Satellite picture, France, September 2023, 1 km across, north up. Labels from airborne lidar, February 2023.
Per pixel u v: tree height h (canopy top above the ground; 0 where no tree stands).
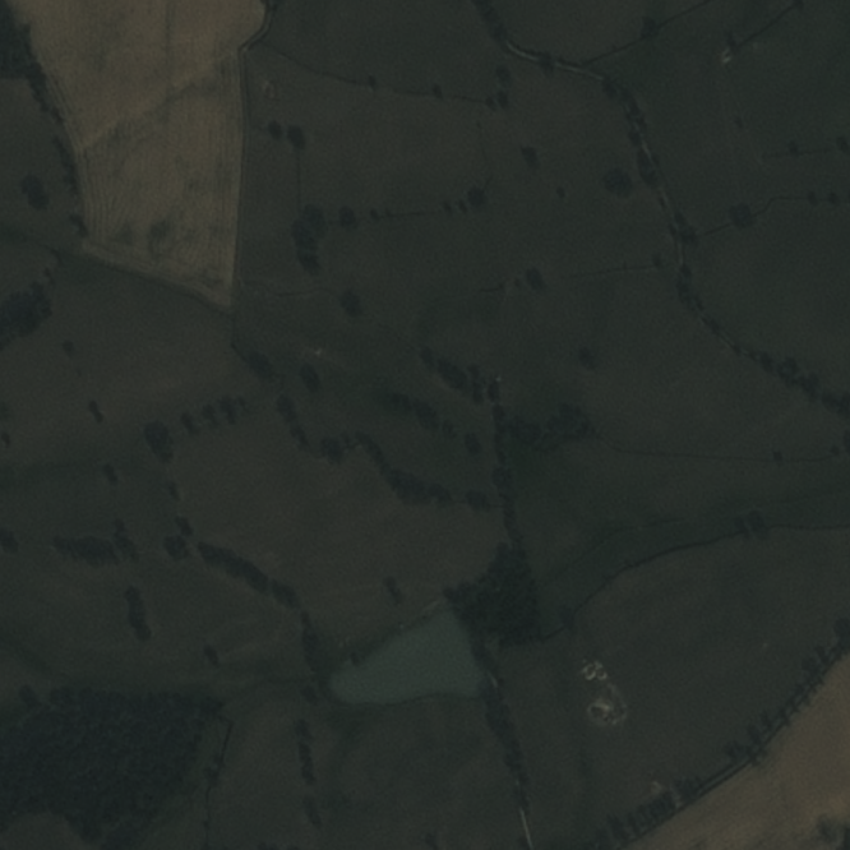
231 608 0
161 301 0
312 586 0
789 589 0
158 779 25
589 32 0
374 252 0
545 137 0
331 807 0
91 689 0
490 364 0
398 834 0
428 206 0
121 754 21
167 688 0
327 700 0
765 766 0
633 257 0
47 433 0
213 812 0
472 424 0
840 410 16
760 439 0
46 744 23
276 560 0
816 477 0
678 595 0
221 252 0
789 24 0
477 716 0
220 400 0
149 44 0
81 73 0
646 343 0
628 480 0
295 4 0
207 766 0
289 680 0
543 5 0
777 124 0
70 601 0
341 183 0
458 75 0
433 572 0
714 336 13
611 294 0
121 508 0
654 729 0
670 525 0
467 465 0
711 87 0
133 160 0
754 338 0
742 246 0
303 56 0
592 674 0
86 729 19
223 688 0
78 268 0
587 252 0
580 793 0
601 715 0
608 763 0
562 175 0
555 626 0
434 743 0
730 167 0
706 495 0
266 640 0
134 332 0
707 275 0
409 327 0
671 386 0
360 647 0
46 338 0
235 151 0
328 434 0
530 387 0
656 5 0
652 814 15
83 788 24
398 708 0
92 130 0
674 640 0
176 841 0
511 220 0
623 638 0
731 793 0
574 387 0
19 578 0
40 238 0
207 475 0
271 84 0
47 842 0
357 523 0
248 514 0
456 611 11
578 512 0
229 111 0
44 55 0
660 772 0
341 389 0
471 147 0
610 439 0
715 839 0
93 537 0
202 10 0
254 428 0
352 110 0
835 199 10
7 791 23
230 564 20
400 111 0
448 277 0
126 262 0
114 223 0
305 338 0
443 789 0
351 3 0
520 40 0
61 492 0
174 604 0
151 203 0
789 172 0
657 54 0
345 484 0
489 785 0
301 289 0
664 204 10
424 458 0
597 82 0
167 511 0
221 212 0
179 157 0
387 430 0
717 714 0
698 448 0
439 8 0
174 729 23
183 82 0
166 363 0
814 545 0
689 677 0
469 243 0
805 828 0
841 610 0
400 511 0
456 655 0
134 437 0
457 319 0
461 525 0
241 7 0
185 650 0
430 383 0
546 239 0
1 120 0
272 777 0
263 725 0
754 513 0
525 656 0
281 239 0
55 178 0
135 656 0
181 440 0
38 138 0
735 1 0
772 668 0
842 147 13
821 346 0
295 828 0
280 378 0
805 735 0
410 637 0
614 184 17
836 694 0
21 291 0
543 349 0
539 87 0
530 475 0
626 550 0
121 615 0
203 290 0
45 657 0
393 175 0
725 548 0
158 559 0
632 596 0
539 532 0
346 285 0
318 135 0
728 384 0
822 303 0
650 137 0
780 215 0
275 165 0
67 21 0
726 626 0
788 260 0
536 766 0
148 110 0
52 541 0
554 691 0
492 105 11
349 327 0
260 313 0
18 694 0
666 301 0
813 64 0
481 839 0
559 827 0
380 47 0
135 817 12
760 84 0
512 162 0
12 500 0
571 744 0
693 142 0
